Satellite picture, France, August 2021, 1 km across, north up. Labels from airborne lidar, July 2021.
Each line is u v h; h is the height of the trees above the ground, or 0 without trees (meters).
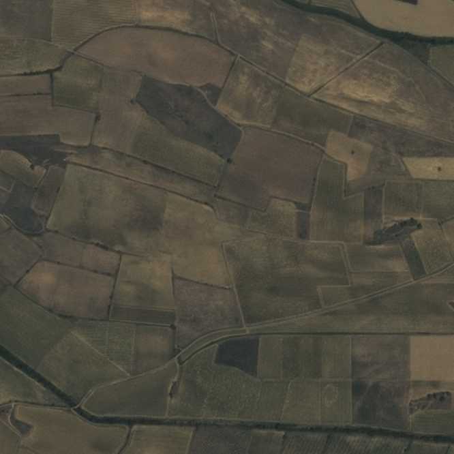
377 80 0
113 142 0
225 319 0
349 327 0
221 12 0
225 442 0
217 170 0
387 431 7
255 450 0
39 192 0
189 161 0
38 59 0
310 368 0
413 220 10
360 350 0
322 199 0
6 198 0
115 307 0
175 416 0
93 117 0
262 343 0
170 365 0
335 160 0
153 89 0
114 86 0
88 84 0
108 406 0
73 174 0
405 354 0
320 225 0
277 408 0
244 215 0
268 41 0
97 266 0
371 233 0
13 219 0
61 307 0
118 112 0
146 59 0
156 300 0
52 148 0
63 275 0
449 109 0
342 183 0
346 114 0
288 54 0
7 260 0
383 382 0
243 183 0
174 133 0
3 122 0
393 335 0
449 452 0
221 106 0
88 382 0
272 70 0
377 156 0
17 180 0
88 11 0
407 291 0
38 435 0
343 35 0
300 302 0
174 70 0
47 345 0
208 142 0
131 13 0
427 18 0
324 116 0
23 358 0
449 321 0
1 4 0
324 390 0
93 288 0
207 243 0
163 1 0
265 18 0
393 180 0
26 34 0
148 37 0
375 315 0
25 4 0
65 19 0
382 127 0
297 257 0
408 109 0
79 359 0
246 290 0
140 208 0
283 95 0
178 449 0
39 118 0
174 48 0
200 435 0
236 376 0
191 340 0
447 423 0
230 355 0
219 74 0
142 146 0
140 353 0
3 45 0
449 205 0
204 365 0
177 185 0
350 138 0
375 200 0
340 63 0
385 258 0
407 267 0
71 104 0
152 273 0
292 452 0
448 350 0
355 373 0
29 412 0
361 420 0
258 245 0
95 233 0
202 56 0
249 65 0
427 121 0
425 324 0
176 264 0
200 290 0
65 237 0
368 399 0
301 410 0
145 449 0
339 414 0
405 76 0
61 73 0
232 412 0
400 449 0
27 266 0
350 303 0
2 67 0
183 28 0
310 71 0
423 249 0
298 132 0
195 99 0
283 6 0
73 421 0
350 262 0
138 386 0
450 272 0
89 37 0
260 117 0
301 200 0
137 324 0
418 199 0
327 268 0
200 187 0
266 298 0
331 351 0
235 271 0
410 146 0
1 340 0
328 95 0
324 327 0
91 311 0
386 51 0
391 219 0
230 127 0
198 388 0
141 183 0
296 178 0
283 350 0
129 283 0
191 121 0
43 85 0
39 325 0
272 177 0
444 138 0
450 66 0
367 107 0
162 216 0
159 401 0
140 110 0
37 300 0
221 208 0
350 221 0
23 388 0
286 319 0
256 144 0
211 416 0
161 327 0
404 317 0
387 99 0
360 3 0
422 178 0
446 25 0
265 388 0
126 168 0
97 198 0
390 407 0
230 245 0
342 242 0
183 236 0
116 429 0
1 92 0
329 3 0
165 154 0
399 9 0
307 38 0
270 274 0
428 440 11
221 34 0
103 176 0
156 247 0
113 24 0
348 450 0
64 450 0
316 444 0
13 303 0
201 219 0
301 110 0
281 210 0
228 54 0
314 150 0
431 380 0
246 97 0
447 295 0
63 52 0
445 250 0
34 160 0
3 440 0
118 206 0
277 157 0
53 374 0
